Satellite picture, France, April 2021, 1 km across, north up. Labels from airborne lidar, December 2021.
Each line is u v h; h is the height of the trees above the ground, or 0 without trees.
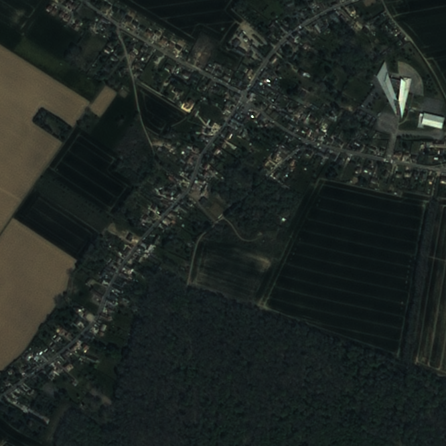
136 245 0
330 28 6
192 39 0
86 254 15
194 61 0
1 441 0
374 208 0
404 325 0
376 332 0
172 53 0
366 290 0
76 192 0
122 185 0
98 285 0
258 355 31
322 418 24
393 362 8
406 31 0
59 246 0
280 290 0
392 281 0
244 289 0
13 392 0
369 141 8
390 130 0
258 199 14
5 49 0
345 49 18
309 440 26
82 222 0
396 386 19
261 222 8
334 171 12
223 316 29
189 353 27
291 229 0
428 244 16
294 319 0
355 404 24
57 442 22
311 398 26
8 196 0
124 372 25
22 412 8
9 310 0
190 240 0
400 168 0
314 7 0
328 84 14
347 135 12
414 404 24
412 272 0
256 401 27
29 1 0
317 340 26
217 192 12
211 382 21
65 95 0
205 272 0
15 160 0
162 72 11
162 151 10
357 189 0
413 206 0
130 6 0
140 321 21
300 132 0
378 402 18
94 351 0
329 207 0
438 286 0
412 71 0
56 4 0
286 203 13
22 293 0
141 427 27
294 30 0
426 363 0
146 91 0
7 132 0
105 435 27
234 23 0
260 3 0
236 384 25
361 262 0
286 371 25
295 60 7
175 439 26
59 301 21
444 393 28
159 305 27
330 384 29
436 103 0
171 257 0
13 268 0
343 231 0
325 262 0
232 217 14
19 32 0
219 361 28
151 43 0
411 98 0
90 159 0
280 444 24
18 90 0
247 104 0
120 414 25
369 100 0
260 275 0
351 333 0
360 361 24
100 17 10
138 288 22
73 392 0
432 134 0
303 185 0
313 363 23
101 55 12
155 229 9
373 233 0
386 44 7
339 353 23
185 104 0
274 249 0
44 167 0
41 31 0
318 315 0
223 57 0
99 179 0
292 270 0
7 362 0
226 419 23
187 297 20
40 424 13
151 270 17
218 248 0
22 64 0
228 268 0
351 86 0
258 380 23
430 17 0
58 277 0
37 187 0
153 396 24
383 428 23
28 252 0
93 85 0
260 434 28
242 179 24
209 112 0
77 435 26
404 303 0
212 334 27
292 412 23
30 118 0
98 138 0
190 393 19
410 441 20
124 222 0
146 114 0
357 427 33
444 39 0
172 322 26
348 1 0
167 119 0
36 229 0
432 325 0
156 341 24
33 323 0
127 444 24
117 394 21
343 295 0
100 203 0
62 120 9
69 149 0
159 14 0
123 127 0
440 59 0
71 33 0
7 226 0
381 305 0
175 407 27
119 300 9
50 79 0
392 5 0
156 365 25
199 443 21
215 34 0
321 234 0
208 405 23
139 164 11
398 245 0
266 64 0
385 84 0
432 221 20
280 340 28
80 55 19
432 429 27
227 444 25
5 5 0
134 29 0
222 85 0
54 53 0
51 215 0
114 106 0
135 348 24
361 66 23
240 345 31
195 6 0
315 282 0
